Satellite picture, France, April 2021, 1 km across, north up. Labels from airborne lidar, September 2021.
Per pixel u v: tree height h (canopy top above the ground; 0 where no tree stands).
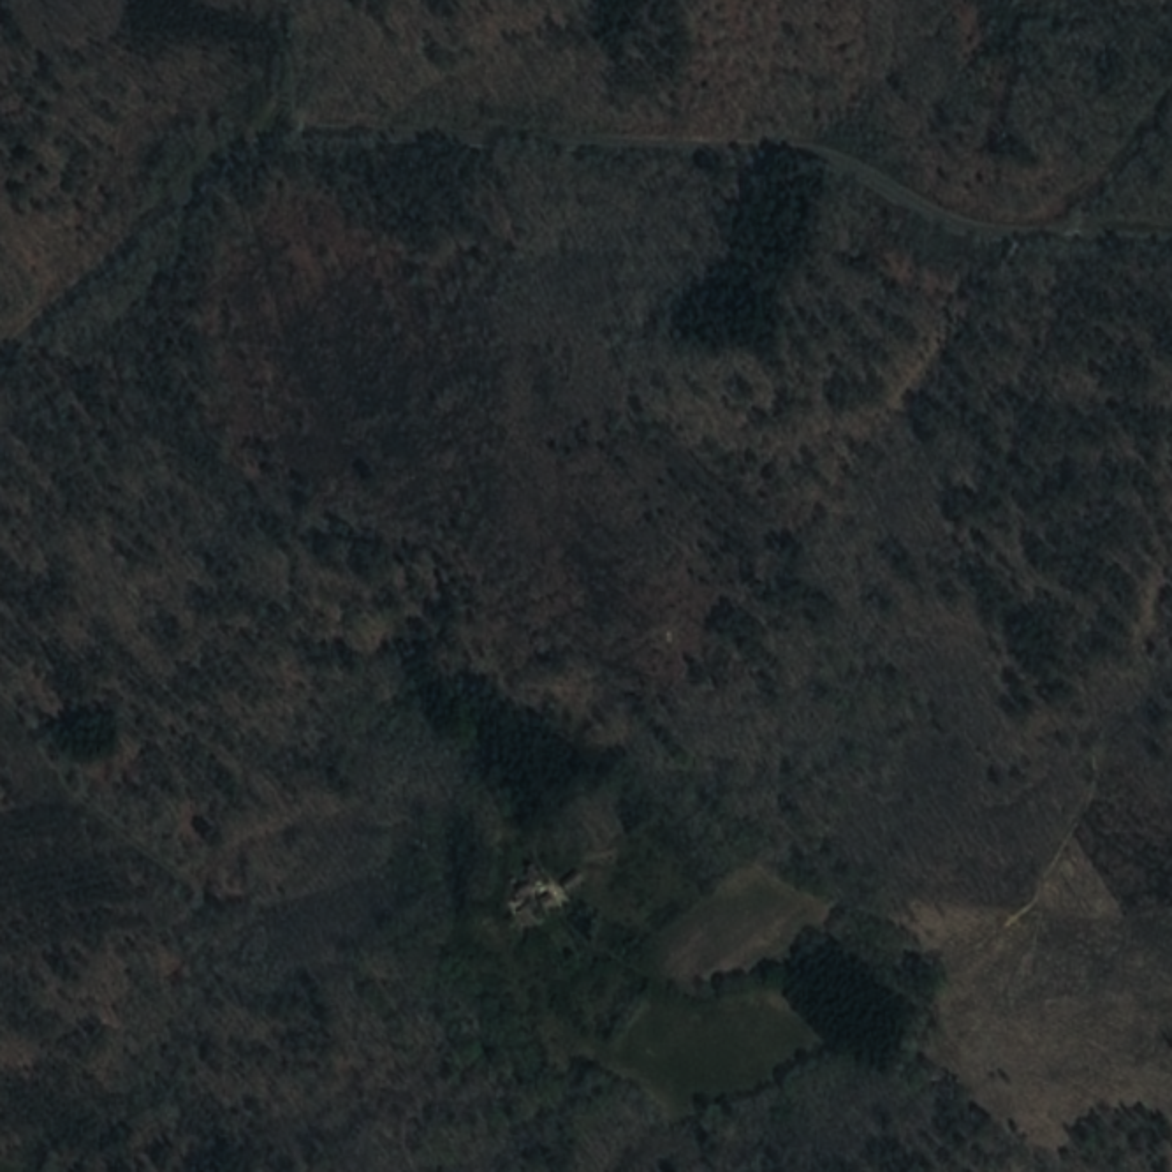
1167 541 21
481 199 19
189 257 23
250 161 23
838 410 24
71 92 17
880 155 12
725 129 9
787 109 19
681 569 7
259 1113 20
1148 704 15
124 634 17
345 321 6
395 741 20
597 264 15
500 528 7
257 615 31
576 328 12
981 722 15
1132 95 19
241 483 14
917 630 21
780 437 14
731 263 12
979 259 10
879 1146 18
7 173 13
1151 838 6
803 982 23
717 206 19
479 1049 17
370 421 8
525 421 7
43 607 27
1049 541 13
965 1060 0
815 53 17
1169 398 14
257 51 6
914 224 12
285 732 21
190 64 13
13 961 10
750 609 12
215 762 23
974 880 13
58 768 21
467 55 14
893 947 22
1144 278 18
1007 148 9
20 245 11
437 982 20
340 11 20
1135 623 22
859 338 23
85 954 9
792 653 16
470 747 18
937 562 16
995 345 18
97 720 22
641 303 18
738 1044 0
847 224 24
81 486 23
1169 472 8
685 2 15
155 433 20
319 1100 23
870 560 15
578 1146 27
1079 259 16
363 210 23
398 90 20
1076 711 15
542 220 19
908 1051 23
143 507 19
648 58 24
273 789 25
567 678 20
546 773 28
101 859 17
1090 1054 0
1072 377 17
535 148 20
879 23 14
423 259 23
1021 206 20
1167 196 27
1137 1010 0
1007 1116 0
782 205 20
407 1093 8
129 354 20
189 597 18
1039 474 15
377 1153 16
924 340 21
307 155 13
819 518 13
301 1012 26
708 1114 28
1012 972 0
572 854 14
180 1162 8
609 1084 19
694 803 17
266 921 15
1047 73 16
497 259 11
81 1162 9
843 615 18
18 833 15
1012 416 20
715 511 10
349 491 9
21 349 15
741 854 16
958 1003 0
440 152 22
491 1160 16
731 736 19
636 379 22
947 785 14
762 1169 21
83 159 19
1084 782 12
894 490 16
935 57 16
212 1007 19
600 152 8
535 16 16
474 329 9
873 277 25
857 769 21
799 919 0
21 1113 20
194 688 29
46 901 11
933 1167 19
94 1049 26
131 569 30
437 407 16
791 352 0
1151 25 26
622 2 18
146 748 19
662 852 0
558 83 22
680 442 9
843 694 18
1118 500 21
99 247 26
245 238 16
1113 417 22
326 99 20
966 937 0
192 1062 19
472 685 13
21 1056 19
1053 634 19
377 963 22
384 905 15
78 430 19
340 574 13
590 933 17
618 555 6
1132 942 0
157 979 20
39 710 18
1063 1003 0
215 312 12
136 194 21
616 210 18
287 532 22
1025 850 15
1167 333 22
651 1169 9
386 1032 24
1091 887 0
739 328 26
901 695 28
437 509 6
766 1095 17
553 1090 23
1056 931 0
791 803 22
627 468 12
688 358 17
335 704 22
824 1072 26
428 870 26
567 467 6
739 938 0
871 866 15
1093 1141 25
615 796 22
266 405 10
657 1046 0
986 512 0
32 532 25
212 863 10
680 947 0
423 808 17
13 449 12
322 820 11
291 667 16
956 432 27
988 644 13
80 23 13
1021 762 12
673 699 19
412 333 0
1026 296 22
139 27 15
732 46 11
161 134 26
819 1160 19
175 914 16
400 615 26
